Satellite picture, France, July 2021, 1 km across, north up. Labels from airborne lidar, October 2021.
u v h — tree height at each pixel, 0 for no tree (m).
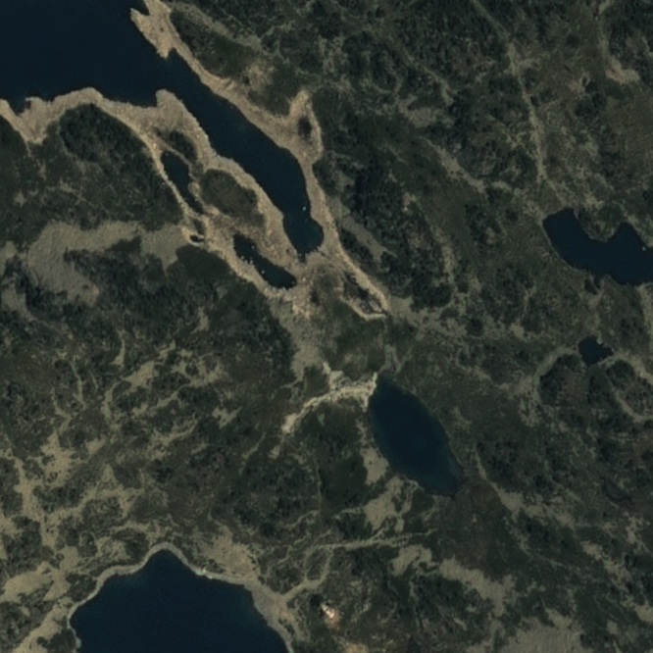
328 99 0
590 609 0
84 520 0
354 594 0
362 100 0
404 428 0
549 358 0
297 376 0
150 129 0
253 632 0
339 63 0
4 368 0
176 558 0
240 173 0
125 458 0
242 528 0
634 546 0
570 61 0
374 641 0
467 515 0
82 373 6
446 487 0
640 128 0
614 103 0
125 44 0
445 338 0
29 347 0
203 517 0
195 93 0
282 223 0
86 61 0
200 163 0
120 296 5
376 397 0
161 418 0
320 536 0
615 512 0
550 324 0
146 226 0
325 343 0
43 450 0
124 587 0
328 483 8
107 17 0
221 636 0
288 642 0
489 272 0
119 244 0
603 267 0
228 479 0
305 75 0
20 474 0
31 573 0
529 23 0
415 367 0
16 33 0
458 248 0
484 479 0
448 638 0
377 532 0
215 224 0
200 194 0
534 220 0
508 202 0
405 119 0
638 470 7
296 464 0
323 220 0
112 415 0
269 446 0
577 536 0
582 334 0
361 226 0
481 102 0
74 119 0
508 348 0
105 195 0
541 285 0
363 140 7
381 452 0
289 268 0
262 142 0
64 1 0
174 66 0
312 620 0
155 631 0
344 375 0
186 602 0
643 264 0
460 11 0
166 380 6
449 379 0
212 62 0
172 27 0
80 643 0
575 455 0
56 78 0
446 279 0
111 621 0
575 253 0
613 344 0
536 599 0
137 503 0
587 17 0
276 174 0
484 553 0
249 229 0
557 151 0
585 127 0
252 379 0
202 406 0
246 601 0
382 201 8
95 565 0
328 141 0
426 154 0
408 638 0
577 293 0
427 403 0
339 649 0
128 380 0
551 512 0
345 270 0
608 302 0
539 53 0
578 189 0
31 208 0
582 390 0
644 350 0
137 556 0
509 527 0
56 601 0
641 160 0
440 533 0
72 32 0
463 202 0
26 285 6
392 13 0
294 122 0
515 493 0
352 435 0
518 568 0
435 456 0
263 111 0
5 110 0
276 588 0
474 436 0
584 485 0
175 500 0
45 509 9
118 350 0
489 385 0
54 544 0
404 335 0
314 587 0
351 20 0
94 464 0
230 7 6
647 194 6
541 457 0
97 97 0
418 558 0
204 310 0
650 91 0
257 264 0
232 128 0
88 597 0
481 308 0
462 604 0
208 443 0
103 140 8
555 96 0
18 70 0
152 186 8
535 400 0
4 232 0
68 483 0
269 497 0
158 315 0
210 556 0
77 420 0
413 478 0
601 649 0
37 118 0
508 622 0
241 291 0
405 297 0
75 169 0
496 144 8
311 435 0
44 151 0
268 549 0
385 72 9
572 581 0
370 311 0
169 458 0
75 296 0
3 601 0
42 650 0
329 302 0
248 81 0
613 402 7
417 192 0
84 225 6
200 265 0
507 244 0
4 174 0
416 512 0
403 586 0
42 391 0
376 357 0
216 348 0
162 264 0
